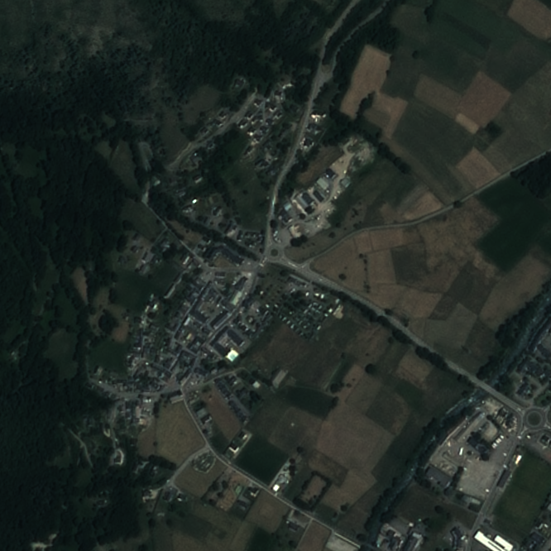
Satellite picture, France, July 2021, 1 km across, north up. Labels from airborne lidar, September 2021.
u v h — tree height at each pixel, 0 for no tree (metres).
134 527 14
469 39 0
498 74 0
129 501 15
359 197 0
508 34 0
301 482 0
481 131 0
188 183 9
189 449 0
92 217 16
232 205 15
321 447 0
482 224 0
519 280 0
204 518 0
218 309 0
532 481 0
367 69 0
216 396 0
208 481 0
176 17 10
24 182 19
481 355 0
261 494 0
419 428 0
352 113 0
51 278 0
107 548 0
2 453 14
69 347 0
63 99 34
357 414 0
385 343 0
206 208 0
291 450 0
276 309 10
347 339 0
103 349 0
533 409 0
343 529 0
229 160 8
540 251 0
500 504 0
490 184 0
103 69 16
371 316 13
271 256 0
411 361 0
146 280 0
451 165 0
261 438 0
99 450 6
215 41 17
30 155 0
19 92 18
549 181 17
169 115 0
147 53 7
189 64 14
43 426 17
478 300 0
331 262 0
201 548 0
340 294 12
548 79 0
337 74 15
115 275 15
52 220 20
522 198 0
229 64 19
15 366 10
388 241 0
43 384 31
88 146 25
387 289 0
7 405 17
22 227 26
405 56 0
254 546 0
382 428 0
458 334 0
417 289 0
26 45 9
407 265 0
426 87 0
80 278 0
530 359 10
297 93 15
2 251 25
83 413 15
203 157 11
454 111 0
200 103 0
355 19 13
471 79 0
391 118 0
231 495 0
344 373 0
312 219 0
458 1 0
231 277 0
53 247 22
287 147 10
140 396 11
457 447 0
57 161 20
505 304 0
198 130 6
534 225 0
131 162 0
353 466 0
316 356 0
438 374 0
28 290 18
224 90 9
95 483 17
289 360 0
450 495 17
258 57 8
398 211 0
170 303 11
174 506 11
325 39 0
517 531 0
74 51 26
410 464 6
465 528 0
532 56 0
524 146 0
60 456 16
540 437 0
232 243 12
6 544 22
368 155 0
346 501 0
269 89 10
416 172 0
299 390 0
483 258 0
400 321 0
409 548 0
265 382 9
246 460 0
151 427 0
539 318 0
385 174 0
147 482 13
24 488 24
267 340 0
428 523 17
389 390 0
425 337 0
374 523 15
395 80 0
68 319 0
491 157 0
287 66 9
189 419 0
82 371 17
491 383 0
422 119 0
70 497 22
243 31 12
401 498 10
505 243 0
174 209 18
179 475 0
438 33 0
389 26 17
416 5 0
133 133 10
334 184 0
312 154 8
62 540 13
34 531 24
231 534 0
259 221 0
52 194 11
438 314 0
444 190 0
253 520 0
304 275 0
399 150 0
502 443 0
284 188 7
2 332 16
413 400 0
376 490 0
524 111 0
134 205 0
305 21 10
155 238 7
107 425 8
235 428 0
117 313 0
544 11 0
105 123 15
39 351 15
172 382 0
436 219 0
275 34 24
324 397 0
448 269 0
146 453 0
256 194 0
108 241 30
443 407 0
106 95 30
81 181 8
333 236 8
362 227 0
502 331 18
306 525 0
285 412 0
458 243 0
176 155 0
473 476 0
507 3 0
